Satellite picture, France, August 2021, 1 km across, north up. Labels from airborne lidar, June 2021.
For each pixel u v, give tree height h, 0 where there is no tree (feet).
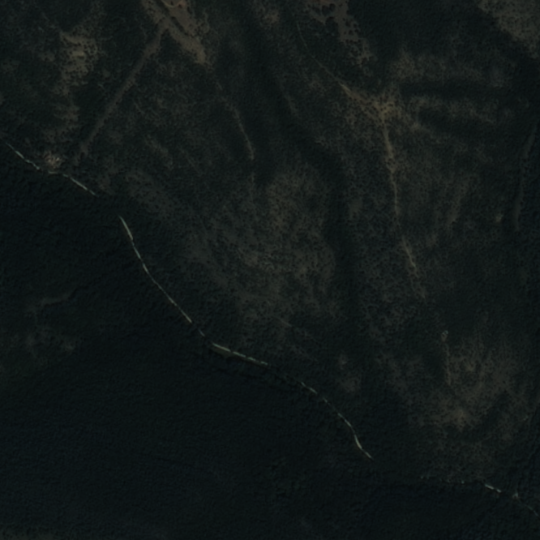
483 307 21
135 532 21
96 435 28
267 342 40
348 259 27
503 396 26
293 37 19
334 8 28
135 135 21
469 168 22
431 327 24
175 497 29
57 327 45
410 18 18
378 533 50
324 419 48
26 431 32
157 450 30
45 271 40
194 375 56
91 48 20
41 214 49
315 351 28
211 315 29
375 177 20
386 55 27
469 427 21
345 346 27
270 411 44
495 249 24
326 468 41
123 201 48
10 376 22
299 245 20
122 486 32
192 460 23
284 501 46
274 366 28
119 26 27
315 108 20
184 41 0
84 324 37
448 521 58
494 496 67
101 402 37
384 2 19
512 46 41
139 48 20
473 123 27
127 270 67
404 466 47
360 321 35
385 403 37
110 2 29
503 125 20
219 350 0
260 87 19
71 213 56
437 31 30
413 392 19
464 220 20
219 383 60
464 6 28
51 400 44
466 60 19
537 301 41
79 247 63
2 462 25
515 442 25
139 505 31
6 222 73
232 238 0
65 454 28
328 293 21
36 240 62
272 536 28
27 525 26
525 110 20
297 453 74
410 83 20
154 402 40
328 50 19
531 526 58
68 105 20
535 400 20
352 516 52
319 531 32
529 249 35
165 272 20
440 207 19
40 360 24
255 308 18
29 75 22
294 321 28
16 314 28
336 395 38
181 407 39
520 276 24
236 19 19
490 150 20
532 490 22
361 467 59
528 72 38
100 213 60
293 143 18
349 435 44
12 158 53
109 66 19
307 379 45
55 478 26
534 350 25
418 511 64
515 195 32
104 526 17
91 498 29
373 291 27
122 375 32
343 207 25
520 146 32
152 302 31
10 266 37
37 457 27
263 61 29
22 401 47
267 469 67
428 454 27
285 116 33
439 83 26
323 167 29
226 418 35
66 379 48
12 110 18
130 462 28
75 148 42
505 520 35
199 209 20
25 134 38
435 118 19
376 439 34
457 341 22
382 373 21
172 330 60
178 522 20
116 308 31
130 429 31
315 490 69
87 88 31
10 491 26
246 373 46
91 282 51
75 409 34
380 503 79
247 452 51
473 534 56
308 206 17
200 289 19
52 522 27
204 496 27
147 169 19
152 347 63
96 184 42
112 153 29
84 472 33
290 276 19
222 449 34
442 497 58
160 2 26
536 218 26
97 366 66
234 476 28
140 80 18
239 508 39
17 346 24
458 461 25
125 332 57
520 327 19
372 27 27
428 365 21
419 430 22
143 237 26
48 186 77
